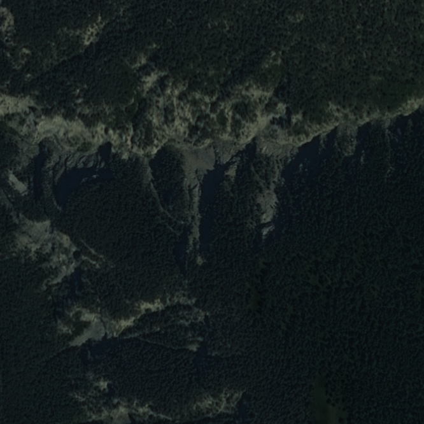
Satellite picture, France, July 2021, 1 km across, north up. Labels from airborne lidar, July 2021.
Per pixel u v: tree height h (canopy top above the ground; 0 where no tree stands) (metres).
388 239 21
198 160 0
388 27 8
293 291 19
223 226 14
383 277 23
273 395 18
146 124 9
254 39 15
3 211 10
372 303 16
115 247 14
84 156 0
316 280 0
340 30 12
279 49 15
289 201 19
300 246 19
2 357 13
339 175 21
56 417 11
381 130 7
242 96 6
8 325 15
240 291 11
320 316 18
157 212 11
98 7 9
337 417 0
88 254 8
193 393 12
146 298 6
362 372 16
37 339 15
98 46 9
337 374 12
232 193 10
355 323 22
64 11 15
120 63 9
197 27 6
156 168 10
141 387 14
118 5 7
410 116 0
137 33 14
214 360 10
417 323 8
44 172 7
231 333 13
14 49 13
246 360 17
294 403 20
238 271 20
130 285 12
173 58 14
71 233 9
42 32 10
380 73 9
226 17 10
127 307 11
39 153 0
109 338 0
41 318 12
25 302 9
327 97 9
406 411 17
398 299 22
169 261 11
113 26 7
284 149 0
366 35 12
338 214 30
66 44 8
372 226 22
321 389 0
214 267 16
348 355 22
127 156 0
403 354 18
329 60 9
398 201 17
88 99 9
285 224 13
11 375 13
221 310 7
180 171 16
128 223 20
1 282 11
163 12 12
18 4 12
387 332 11
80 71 9
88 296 12
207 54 14
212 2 11
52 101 11
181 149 0
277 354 17
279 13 14
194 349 0
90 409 9
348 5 11
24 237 0
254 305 0
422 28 6
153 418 12
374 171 13
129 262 12
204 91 6
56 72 13
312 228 23
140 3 12
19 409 14
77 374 7
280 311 22
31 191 13
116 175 12
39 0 10
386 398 13
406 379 14
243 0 13
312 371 12
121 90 14
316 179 8
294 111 8
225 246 15
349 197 10
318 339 19
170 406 12
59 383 10
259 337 18
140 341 12
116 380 10
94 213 18
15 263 10
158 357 15
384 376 20
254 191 19
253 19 12
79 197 13
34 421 11
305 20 14
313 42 10
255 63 14
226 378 12
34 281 9
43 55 10
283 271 18
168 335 15
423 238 15
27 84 6
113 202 18
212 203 9
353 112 7
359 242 21
